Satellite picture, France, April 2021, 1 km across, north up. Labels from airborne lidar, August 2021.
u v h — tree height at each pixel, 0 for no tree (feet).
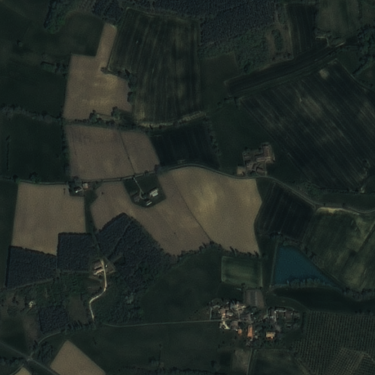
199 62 0
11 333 0
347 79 0
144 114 0
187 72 0
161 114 0
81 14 0
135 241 54
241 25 41
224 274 0
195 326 0
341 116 0
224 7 34
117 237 48
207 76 0
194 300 0
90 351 0
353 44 0
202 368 0
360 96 0
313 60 0
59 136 0
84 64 0
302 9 0
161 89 0
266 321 42
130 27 0
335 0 0
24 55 0
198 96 0
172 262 89
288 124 0
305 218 0
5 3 0
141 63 0
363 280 0
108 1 33
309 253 78
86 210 0
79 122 24
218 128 0
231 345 22
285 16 48
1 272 0
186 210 0
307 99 0
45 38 0
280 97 0
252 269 0
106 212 0
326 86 0
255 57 76
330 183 0
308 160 0
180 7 33
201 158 0
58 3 49
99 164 0
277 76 0
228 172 0
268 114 0
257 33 56
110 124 50
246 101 0
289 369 0
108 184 0
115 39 0
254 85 0
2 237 0
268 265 0
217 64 0
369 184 0
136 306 53
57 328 47
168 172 38
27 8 0
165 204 0
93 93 0
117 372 0
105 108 0
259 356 0
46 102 0
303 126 0
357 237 0
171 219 0
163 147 0
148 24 0
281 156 0
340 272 0
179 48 0
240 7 31
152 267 54
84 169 0
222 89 0
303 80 0
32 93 0
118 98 0
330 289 0
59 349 0
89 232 0
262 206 0
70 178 0
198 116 0
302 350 20
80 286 42
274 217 0
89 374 0
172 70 0
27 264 38
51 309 62
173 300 0
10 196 0
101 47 0
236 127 0
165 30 0
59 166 0
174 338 0
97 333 0
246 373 0
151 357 0
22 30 0
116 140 0
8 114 48
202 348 0
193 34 0
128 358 0
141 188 0
